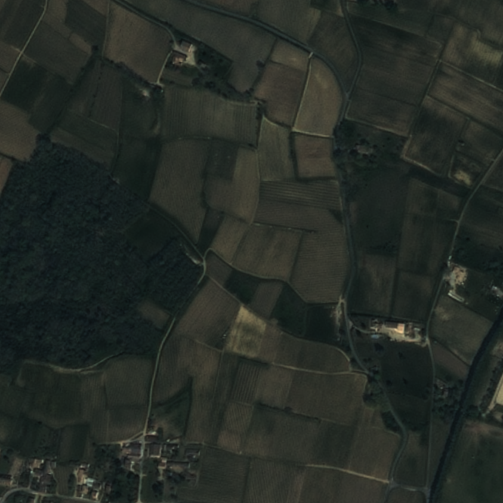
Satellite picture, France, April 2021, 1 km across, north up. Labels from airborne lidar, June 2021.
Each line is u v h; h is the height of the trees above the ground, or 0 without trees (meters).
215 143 0
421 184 0
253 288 0
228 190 0
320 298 0
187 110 0
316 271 0
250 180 0
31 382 0
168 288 18
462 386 18
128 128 0
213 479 0
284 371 0
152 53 0
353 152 8
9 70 0
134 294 20
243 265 0
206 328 0
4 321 9
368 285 0
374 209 0
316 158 0
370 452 0
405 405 0
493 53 0
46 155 24
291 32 0
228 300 0
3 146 0
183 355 0
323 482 0
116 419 0
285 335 0
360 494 0
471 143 0
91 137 0
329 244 0
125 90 0
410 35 0
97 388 0
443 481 15
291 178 0
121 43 0
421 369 0
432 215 0
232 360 0
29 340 13
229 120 0
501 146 0
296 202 0
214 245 0
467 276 0
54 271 19
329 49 0
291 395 0
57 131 0
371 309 0
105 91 0
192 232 0
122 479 16
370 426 0
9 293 15
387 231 0
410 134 0
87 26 0
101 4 0
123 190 21
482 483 0
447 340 0
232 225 0
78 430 0
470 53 0
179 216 0
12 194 16
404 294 0
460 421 21
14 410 0
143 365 0
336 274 0
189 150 0
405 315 0
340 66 0
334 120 0
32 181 17
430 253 0
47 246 15
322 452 0
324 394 0
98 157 0
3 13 0
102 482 0
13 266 20
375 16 0
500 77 0
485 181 0
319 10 0
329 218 0
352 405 0
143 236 0
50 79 0
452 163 0
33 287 21
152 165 0
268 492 0
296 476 0
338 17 0
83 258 21
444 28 0
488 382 0
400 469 0
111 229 24
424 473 0
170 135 0
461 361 0
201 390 0
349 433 0
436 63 0
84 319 15
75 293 17
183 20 0
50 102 0
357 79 0
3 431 0
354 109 0
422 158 0
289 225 0
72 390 0
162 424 0
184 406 0
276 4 0
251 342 0
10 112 0
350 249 0
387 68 0
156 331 19
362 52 0
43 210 11
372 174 0
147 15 0
